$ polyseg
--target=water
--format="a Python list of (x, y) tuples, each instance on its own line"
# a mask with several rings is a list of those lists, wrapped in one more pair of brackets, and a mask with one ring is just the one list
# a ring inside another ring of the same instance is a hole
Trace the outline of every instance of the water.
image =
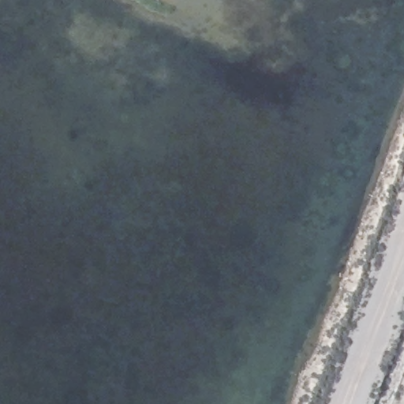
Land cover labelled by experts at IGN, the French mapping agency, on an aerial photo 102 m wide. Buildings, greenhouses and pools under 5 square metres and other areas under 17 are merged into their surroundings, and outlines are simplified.
[(320, 328), (324, 325), (325, 314), (330, 308), (331, 301), (335, 300), (339, 282), (346, 270), (350, 248), (358, 232), (358, 224), (365, 211), (369, 194), (376, 189), (376, 181), (385, 161), (391, 142), (398, 131), (399, 120), (404, 118), (404, 0), (169, 0), (167, 3), (172, 5), (172, 13), (170, 16), (159, 16), (131, 0), (0, 0), (0, 404), (292, 404), (298, 376), (308, 365), (314, 347), (319, 342)]

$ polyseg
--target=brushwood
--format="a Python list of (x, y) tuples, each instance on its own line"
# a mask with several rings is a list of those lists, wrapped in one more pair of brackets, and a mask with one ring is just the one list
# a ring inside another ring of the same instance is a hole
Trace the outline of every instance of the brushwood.
[(387, 393), (391, 372), (396, 368), (404, 346), (404, 311), (399, 311), (402, 325), (395, 346), (383, 352), (380, 363), (383, 372), (382, 383), (372, 383), (369, 396), (374, 404), (380, 404), (380, 399)]
[(172, 5), (167, 3), (169, 0), (131, 0), (159, 16), (170, 16), (172, 13)]
[(369, 213), (379, 200), (385, 202), (387, 207), (383, 208), (376, 234), (369, 237), (366, 246), (366, 265), (363, 267), (357, 290), (353, 292), (349, 303), (339, 303), (339, 312), (342, 312), (346, 319), (342, 320), (338, 338), (331, 346), (333, 352), (324, 360), (324, 371), (314, 388), (311, 404), (328, 404), (335, 383), (341, 379), (347, 350), (352, 346), (350, 331), (355, 330), (358, 322), (365, 317), (365, 312), (358, 308), (368, 306), (372, 289), (376, 284), (376, 279), (369, 276), (369, 271), (371, 268), (379, 270), (382, 267), (383, 251), (387, 246), (380, 243), (380, 240), (383, 235), (390, 234), (391, 230), (395, 229), (395, 216), (398, 215), (401, 205), (398, 194), (404, 189), (404, 153), (399, 163), (401, 170), (398, 178), (388, 191), (383, 191), (382, 181), (390, 177), (393, 167), (385, 161), (376, 181), (376, 189), (369, 194), (365, 211)]

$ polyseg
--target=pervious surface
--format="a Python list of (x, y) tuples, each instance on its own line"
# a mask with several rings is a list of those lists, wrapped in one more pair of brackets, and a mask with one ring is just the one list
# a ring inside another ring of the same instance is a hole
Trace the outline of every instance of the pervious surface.
[(311, 404), (314, 388), (324, 371), (324, 360), (333, 352), (331, 346), (338, 338), (342, 320), (346, 319), (342, 312), (339, 312), (339, 303), (349, 303), (353, 292), (357, 290), (363, 267), (366, 265), (366, 246), (369, 237), (376, 234), (383, 208), (387, 207), (385, 202), (379, 200), (369, 213), (365, 211), (358, 224), (358, 232), (350, 248), (346, 270), (339, 282), (335, 300), (331, 301), (330, 308), (325, 314), (324, 325), (320, 328), (319, 342), (314, 347), (308, 365), (298, 376), (292, 404)]
[(399, 120), (398, 131), (391, 142), (385, 161), (393, 167), (390, 177), (382, 181), (383, 191), (388, 191), (398, 178), (401, 170), (399, 163), (404, 153), (404, 118)]
[(372, 289), (368, 306), (358, 308), (365, 312), (365, 317), (358, 322), (355, 330), (350, 331), (352, 346), (347, 350), (341, 379), (335, 383), (328, 404), (374, 404), (369, 396), (372, 383), (382, 383), (383, 372), (380, 363), (383, 352), (395, 346), (402, 325), (399, 311), (404, 311), (404, 189), (398, 194), (401, 205), (398, 215), (395, 216), (395, 229), (391, 230), (390, 234), (383, 235), (380, 240), (380, 243), (387, 246), (383, 251), (382, 267), (379, 270), (371, 268), (369, 271), (369, 276), (376, 279), (376, 284)]
[(387, 393), (380, 399), (380, 404), (404, 404), (404, 346), (396, 368), (391, 372)]

